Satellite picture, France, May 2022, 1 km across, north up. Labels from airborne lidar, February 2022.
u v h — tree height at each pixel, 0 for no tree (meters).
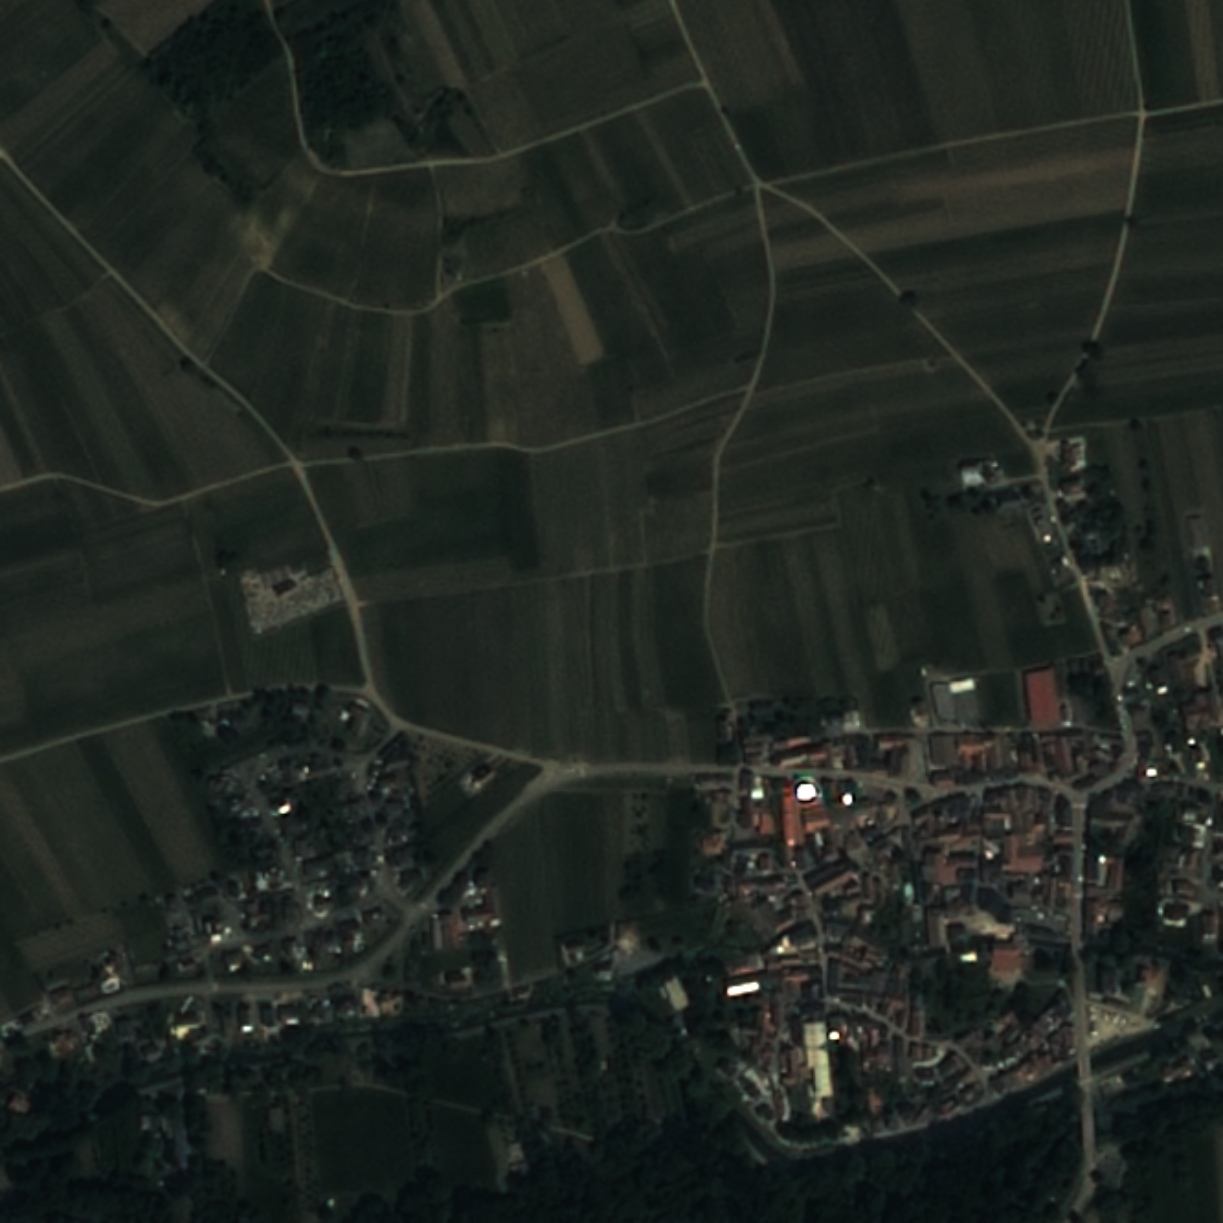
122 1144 0
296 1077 10
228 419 0
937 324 0
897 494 0
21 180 0
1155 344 0
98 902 0
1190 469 0
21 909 0
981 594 0
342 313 0
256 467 0
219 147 0
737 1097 0
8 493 0
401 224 0
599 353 0
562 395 0
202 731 0
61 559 0
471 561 0
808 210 0
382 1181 0
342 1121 0
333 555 0
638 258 0
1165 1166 0
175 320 0
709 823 0
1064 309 0
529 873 0
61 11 0
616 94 0
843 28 0
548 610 0
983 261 0
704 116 0
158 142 0
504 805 0
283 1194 0
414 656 0
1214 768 0
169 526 0
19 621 0
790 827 0
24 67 0
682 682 0
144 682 0
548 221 0
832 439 0
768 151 0
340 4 0
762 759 0
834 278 0
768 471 0
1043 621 0
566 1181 34
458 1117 0
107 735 0
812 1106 0
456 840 0
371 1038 0
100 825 0
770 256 0
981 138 0
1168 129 0
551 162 0
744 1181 33
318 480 0
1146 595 0
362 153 0
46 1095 21
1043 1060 0
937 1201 37
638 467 0
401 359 0
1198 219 0
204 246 0
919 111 0
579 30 0
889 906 5
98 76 0
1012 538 0
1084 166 0
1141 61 0
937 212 0
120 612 0
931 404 0
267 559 0
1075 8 0
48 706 0
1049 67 0
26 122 0
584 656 0
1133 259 0
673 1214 23
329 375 0
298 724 12
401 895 0
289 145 0
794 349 0
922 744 0
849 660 0
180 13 0
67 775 0
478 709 0
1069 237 0
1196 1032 0
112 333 0
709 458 0
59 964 0
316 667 0
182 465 0
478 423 0
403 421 0
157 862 0
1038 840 0
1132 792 0
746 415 0
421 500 0
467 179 0
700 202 0
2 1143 16
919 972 6
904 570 0
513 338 0
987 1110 0
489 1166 0
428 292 0
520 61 0
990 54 0
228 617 0
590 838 0
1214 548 0
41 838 0
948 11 0
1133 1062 0
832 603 0
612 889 0
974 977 11
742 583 0
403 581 0
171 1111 19
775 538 0
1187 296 0
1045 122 0
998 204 0
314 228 0
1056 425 0
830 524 0
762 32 0
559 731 0
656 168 0
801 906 0
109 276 0
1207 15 0
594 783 0
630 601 0
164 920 0
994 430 0
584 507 0
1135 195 0
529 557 0
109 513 0
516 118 0
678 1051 21
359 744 0
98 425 0
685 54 0
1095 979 0
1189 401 0
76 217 0
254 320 0
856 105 0
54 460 0
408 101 0
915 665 0
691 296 0
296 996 0
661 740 0
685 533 0
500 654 0
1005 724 0
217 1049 13
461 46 0
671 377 0
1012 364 0
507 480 0
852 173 0
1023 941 0
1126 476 0
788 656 0
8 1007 0
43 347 0
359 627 0
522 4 0
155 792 0
